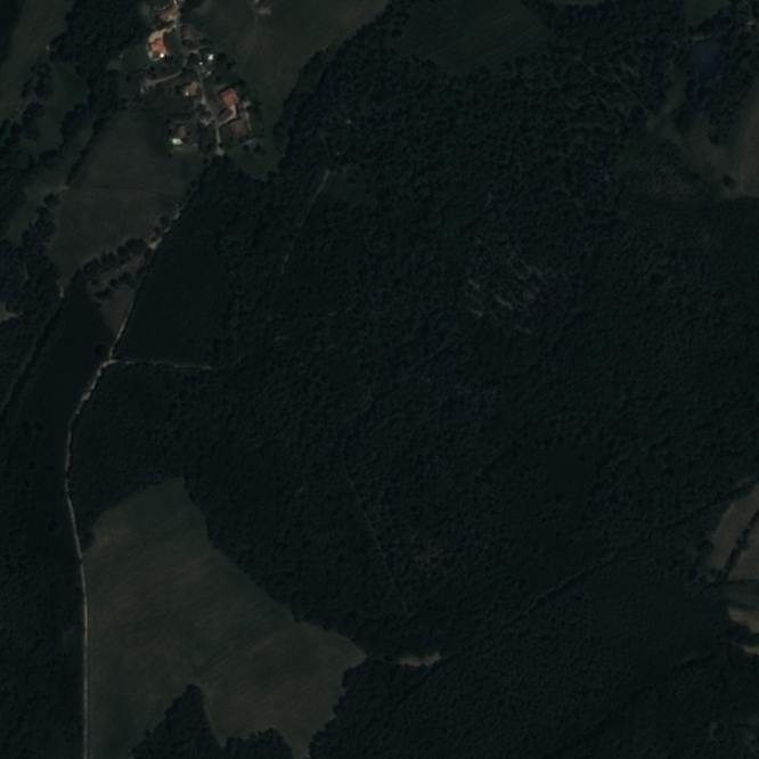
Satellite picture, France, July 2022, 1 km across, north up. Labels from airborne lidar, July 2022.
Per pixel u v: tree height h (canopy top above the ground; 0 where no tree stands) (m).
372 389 26
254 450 20
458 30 0
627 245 25
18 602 27
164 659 0
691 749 15
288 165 25
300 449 22
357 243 16
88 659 0
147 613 0
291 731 0
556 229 24
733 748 8
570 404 18
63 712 7
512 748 20
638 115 25
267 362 17
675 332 24
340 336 16
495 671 24
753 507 0
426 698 16
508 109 20
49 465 8
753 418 27
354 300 8
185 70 11
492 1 0
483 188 20
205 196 14
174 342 7
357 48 18
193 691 19
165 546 0
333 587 26
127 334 8
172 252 6
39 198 0
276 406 25
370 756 19
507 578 22
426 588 22
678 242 6
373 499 21
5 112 0
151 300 7
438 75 28
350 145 8
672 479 23
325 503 9
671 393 22
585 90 21
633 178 7
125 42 16
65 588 18
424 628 14
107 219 0
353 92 27
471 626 18
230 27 0
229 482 22
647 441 20
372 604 20
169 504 0
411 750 16
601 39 30
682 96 0
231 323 21
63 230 0
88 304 5
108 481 15
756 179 0
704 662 15
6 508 23
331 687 0
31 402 6
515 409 24
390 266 20
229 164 18
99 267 20
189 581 0
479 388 34
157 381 20
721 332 23
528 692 20
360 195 0
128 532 0
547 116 22
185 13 13
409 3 19
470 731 13
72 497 13
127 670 0
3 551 14
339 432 6
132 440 17
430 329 25
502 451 13
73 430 12
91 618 0
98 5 27
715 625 22
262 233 23
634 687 19
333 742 21
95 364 7
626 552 24
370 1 0
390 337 7
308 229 6
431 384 20
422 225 13
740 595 0
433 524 16
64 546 10
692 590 21
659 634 15
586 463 22
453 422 26
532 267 23
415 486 20
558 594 18
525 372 22
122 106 8
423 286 21
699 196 7
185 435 18
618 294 20
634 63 41
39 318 17
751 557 0
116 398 14
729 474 16
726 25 28
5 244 22
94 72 16
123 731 0
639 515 28
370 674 23
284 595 24
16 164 12
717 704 11
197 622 0
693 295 24
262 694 0
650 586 14
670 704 17
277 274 16
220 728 0
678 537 27
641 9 20
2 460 23
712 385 23
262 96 0
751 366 24
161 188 0
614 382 16
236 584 0
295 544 26
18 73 0
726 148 0
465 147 24
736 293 8
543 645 19
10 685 9
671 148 6
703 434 22
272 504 22
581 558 13
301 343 15
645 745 23
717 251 7
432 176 23
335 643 0
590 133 27
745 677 21
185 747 16
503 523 12
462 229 17
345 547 18
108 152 0
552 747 23
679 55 22
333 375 10
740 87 25
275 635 0
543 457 10
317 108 19
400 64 27
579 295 24
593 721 16
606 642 16
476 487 18
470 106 21
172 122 8
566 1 0
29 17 0
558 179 19
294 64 0
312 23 0
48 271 16
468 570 18
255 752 17
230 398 24
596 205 31
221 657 0
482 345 29
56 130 0
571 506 10
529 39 0
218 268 8
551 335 25
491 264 29
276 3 0
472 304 28
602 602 14
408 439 16
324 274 7
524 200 26
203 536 0
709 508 24
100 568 0
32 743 24
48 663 14
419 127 27
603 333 22
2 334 19
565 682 24
